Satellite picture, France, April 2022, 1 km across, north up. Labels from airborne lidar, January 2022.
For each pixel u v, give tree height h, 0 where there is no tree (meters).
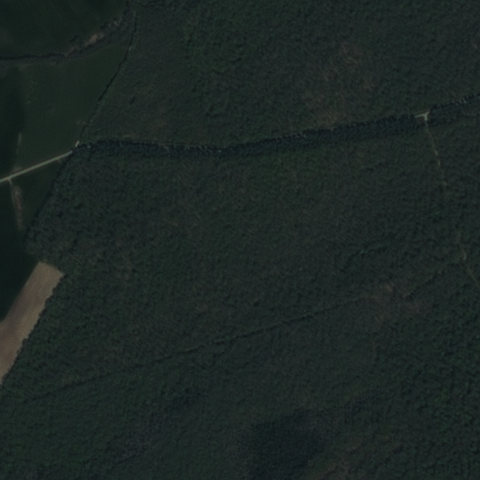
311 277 21
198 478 21
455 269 22
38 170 0
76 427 23
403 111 23
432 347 26
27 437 24
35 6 0
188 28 24
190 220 24
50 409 23
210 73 24
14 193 0
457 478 21
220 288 21
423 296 23
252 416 24
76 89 0
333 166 22
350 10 22
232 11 28
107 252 24
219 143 17
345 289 21
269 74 24
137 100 13
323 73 27
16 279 0
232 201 24
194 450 22
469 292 24
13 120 0
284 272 21
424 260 25
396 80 21
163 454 23
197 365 23
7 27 0
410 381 17
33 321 0
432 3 26
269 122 22
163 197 24
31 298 0
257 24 24
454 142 22
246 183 22
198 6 19
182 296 23
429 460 23
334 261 25
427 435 26
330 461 19
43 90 0
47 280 0
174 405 18
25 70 0
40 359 18
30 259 0
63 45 0
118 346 25
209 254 20
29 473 24
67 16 0
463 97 21
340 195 20
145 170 27
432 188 23
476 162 25
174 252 19
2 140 0
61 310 22
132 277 25
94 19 0
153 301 24
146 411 25
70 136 0
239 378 21
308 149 24
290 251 23
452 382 24
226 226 20
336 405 16
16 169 0
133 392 21
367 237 25
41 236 22
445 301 24
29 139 0
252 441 16
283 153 21
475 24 17
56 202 26
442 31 22
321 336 24
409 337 25
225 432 20
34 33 0
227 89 22
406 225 29
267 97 22
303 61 21
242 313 20
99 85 0
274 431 13
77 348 21
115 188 26
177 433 23
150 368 24
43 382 23
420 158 21
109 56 0
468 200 19
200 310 24
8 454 21
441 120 20
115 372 20
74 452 20
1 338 0
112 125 15
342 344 23
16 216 0
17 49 0
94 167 24
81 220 25
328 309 18
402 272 25
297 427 12
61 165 0
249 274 20
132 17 18
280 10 26
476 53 22
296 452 14
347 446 19
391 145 24
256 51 21
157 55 14
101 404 22
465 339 24
